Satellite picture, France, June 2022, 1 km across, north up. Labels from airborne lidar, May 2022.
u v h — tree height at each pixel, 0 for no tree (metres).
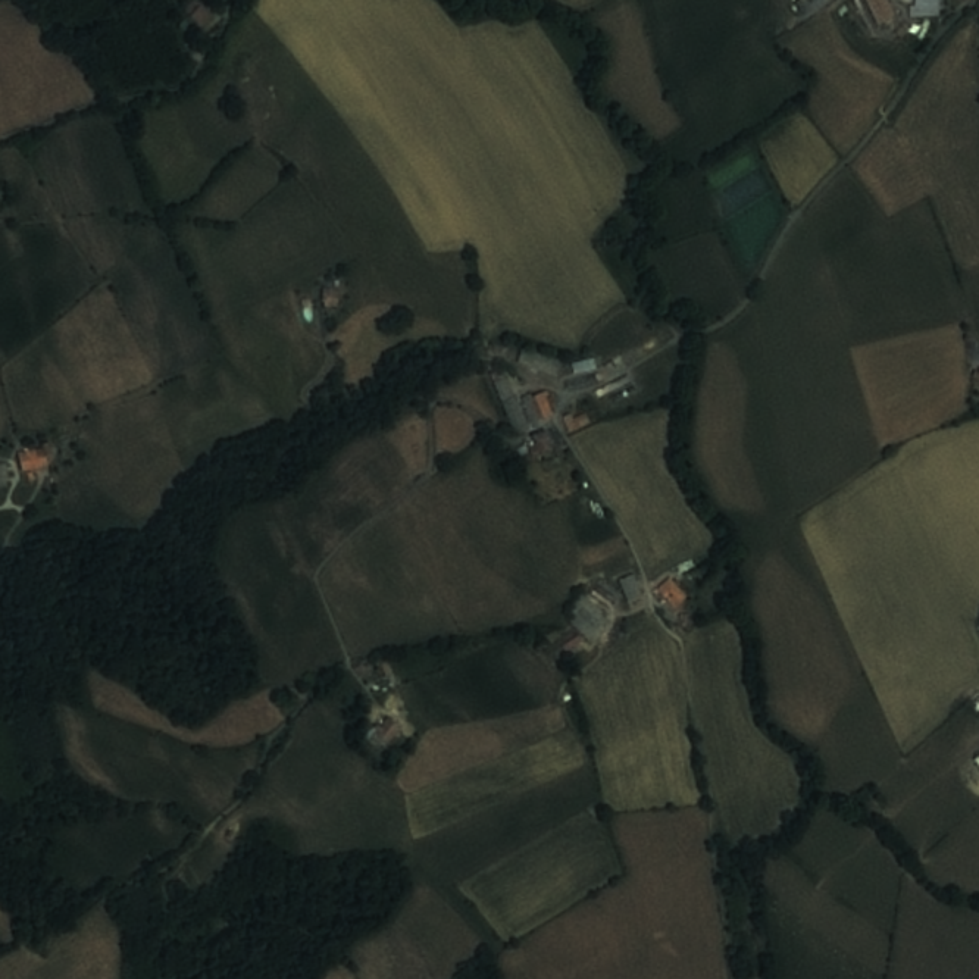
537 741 0
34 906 18
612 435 0
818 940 0
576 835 0
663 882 0
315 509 0
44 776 11
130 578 23
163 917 12
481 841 0
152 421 0
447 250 0
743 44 0
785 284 0
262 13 0
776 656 0
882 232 0
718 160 10
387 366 15
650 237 21
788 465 0
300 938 6
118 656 13
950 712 0
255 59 0
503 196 0
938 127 0
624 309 0
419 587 0
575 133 0
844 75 0
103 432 0
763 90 0
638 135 26
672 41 0
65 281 0
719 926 0
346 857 6
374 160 0
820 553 0
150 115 0
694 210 0
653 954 0
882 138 0
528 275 0
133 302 0
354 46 0
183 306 0
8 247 0
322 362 0
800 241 0
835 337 0
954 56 0
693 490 22
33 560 16
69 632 18
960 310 0
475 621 0
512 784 0
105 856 0
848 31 0
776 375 0
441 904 0
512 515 0
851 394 0
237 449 18
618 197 0
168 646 21
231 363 0
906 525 0
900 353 0
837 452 0
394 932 0
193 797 0
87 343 0
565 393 0
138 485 0
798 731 0
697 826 0
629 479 0
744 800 0
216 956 14
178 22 12
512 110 0
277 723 0
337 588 0
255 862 19
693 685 0
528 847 0
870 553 0
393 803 0
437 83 0
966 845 0
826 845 0
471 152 0
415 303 0
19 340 0
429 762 0
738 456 0
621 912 0
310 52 0
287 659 0
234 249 0
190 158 0
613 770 0
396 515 0
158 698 7
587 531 0
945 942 0
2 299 0
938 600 0
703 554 0
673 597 0
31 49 0
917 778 0
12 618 14
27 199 0
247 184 0
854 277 0
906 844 17
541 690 0
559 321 0
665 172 20
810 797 11
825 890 0
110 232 0
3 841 14
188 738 0
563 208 0
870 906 0
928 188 0
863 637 0
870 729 0
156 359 0
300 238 0
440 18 0
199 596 21
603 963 0
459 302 0
